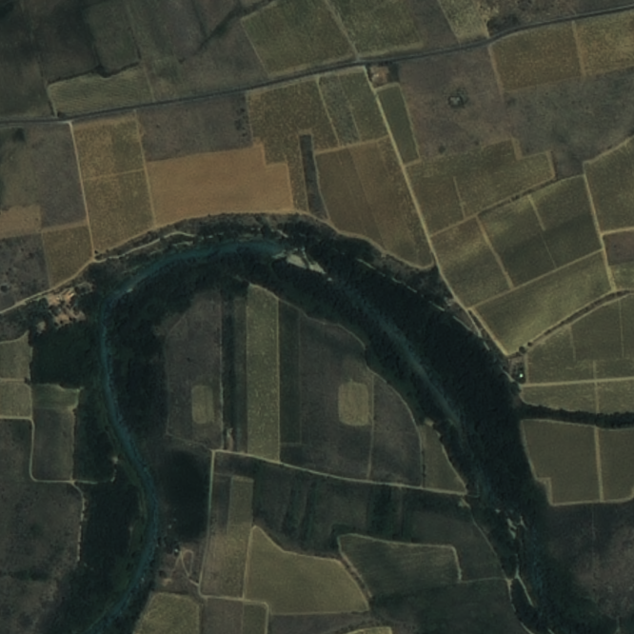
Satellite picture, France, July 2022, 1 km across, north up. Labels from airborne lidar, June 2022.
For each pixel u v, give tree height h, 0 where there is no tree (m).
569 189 0
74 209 0
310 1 0
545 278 0
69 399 0
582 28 0
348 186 0
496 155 0
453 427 8
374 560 0
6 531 0
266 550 0
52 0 0
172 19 0
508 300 0
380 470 0
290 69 0
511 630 0
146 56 0
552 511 0
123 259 9
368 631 0
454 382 13
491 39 0
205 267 9
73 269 0
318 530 0
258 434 0
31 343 10
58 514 0
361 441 0
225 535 0
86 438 7
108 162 0
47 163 0
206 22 0
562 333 0
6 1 0
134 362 12
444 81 0
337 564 0
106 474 7
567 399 0
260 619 0
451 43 0
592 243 0
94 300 17
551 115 0
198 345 0
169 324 0
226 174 0
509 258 0
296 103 0
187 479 6
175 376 0
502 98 0
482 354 11
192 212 0
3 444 0
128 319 8
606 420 13
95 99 0
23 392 0
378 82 0
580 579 0
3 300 0
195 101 0
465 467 17
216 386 0
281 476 0
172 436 0
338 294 18
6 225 0
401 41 0
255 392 0
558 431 0
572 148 0
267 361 0
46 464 0
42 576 7
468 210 0
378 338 18
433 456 0
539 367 0
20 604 0
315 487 8
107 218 0
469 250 0
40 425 0
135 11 0
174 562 0
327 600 0
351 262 13
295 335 0
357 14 0
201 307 0
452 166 0
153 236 6
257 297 0
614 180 0
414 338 14
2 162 0
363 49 0
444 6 0
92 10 0
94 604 8
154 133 0
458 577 0
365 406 0
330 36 0
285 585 0
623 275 0
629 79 0
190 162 0
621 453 0
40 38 0
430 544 0
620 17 0
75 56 0
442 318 11
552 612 12
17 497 0
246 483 0
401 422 0
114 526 8
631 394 0
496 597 0
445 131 0
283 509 0
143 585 10
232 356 11
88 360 14
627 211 0
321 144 0
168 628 0
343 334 0
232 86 0
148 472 6
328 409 0
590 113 0
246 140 0
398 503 0
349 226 0
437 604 0
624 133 0
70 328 12
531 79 0
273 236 18
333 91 0
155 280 10
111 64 0
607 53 0
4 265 0
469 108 0
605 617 6
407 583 0
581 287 0
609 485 0
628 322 0
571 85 0
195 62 0
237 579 0
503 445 23
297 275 22
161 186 0
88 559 11
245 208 0
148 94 0
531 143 0
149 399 7
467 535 0
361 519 0
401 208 0
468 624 0
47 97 0
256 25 0
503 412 14
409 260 0
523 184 0
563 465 0
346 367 0
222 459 0
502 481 15
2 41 0
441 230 0
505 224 0
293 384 0
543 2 0
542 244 0
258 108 0
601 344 0
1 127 0
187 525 7
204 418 0
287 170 0
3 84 0
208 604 0
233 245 0
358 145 0
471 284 0
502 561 7
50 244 0
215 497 0
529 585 10
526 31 0
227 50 0
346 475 0
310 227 8
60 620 6
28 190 0
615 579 0
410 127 0
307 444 0
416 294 10
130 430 11
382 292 12
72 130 0
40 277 0
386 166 0
